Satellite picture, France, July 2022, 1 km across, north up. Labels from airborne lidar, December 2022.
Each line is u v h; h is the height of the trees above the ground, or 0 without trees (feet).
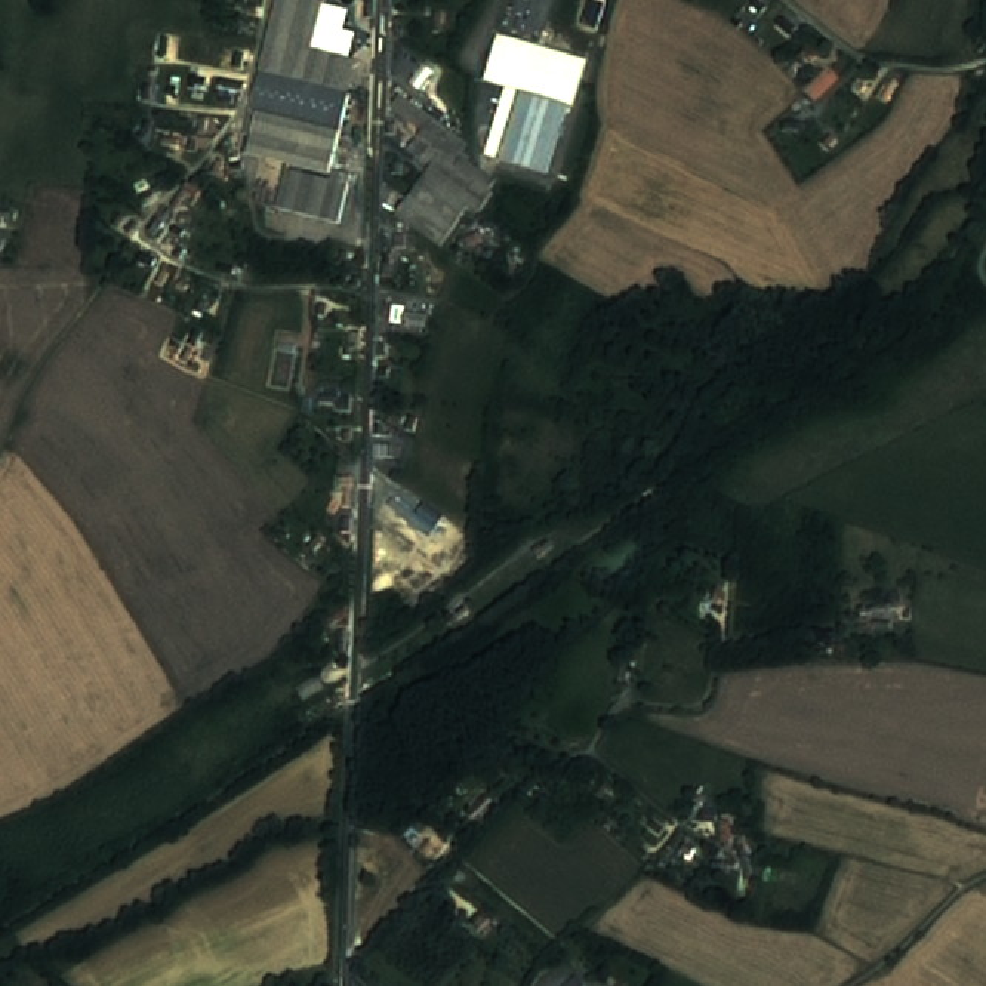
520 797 46
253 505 0
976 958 0
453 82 0
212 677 0
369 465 0
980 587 0
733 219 0
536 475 0
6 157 0
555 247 0
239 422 0
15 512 0
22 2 0
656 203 0
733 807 40
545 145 0
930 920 0
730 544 19
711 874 30
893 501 0
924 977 0
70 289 0
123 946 0
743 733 0
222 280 0
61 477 0
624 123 0
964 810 0
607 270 0
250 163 0
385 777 76
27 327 0
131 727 0
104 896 0
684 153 0
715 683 20
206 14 27
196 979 0
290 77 0
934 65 23
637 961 45
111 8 0
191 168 0
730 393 50
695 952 0
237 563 0
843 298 83
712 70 0
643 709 36
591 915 32
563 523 27
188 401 0
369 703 39
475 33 0
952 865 0
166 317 0
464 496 0
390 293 0
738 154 0
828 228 0
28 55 0
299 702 22
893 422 0
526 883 0
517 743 30
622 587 82
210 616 0
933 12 0
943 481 0
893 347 27
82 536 0
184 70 0
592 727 0
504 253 25
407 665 41
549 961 32
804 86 45
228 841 0
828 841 0
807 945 0
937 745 0
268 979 35
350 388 34
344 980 0
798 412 48
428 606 43
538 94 0
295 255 31
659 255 0
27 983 0
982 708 0
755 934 0
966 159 0
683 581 20
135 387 0
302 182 0
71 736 0
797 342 115
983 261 0
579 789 45
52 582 0
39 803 24
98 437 0
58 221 0
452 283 0
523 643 71
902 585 21
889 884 0
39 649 0
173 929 0
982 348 0
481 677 107
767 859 34
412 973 45
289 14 0
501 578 0
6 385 0
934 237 0
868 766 0
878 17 0
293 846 51
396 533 0
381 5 0
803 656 35
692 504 43
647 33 0
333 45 0
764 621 29
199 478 0
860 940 0
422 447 0
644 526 62
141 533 0
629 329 96
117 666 0
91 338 0
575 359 39
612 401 32
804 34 35
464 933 29
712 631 25
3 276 0
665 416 22
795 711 0
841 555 0
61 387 0
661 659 0
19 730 0
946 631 0
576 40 0
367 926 0
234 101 0
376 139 0
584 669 0
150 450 0
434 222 0
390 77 0
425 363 25
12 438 0
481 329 0
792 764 0
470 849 40
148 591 0
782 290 44
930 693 0
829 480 0
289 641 39
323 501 0
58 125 0
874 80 0
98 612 0
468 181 0
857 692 0
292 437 43
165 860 0
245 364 0
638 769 0
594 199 0
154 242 0
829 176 0
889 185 0
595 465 28
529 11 0
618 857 0
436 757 76
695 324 28
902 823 0
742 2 0
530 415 0
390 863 0
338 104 0
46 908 31
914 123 0
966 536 0
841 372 71
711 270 0
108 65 0
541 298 18
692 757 0
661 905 0
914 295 46
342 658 26
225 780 22
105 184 20
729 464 27
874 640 21
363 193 0
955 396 0
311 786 0
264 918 0
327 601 27
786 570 18
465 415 0
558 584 53
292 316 0
